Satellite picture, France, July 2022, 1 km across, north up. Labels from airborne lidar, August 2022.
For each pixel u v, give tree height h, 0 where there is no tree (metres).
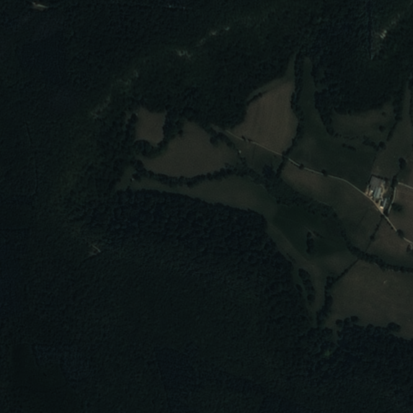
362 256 18
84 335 13
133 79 19
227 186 0
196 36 15
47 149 12
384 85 17
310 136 0
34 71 14
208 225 25
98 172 20
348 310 0
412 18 19
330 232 0
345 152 0
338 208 0
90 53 19
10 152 19
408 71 9
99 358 15
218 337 10
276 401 18
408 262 0
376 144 9
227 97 19
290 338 26
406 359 22
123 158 28
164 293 10
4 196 15
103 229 24
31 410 11
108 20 19
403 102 9
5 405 23
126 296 11
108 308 11
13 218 11
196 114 19
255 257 31
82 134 15
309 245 16
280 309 26
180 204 23
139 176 21
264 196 0
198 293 10
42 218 15
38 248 11
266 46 19
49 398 11
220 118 12
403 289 0
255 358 13
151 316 9
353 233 0
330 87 16
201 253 23
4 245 18
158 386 14
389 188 0
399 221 0
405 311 0
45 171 12
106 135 34
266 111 0
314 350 20
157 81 24
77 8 19
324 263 0
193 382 9
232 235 33
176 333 8
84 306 13
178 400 18
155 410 15
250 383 15
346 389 14
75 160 12
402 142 0
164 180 19
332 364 29
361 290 0
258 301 19
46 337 10
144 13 16
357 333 18
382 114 6
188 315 9
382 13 11
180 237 27
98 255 13
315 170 0
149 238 21
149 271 8
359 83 15
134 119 18
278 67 22
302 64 11
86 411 17
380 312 0
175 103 18
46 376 16
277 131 0
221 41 19
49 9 10
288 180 0
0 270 20
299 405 20
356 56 16
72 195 21
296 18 19
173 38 18
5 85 15
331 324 0
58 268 15
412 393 19
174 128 24
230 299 13
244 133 0
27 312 9
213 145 14
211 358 12
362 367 20
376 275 0
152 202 15
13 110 17
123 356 17
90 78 16
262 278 30
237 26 11
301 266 0
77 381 12
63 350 21
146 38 15
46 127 11
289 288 24
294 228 0
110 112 25
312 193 0
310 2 17
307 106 0
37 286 18
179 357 12
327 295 10
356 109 16
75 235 10
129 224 25
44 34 15
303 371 22
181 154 0
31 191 16
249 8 11
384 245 0
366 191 0
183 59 14
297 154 0
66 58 17
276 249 17
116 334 11
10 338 11
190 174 0
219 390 13
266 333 24
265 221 23
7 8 18
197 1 15
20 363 7
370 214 0
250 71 20
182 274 10
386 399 11
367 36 12
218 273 11
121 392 13
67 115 12
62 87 13
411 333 0
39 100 14
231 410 12
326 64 20
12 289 22
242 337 13
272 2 10
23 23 11
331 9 28
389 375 28
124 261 9
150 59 8
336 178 0
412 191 0
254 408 15
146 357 14
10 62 14
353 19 26
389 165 0
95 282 11
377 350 24
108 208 27
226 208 23
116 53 15
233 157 0
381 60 18
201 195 0
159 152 10
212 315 11
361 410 15
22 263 10
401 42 20
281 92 0
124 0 13
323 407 14
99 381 14
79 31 17
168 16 14
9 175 15
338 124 0
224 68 24
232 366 12
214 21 9
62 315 18
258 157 0
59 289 22
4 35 12
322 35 26
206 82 14
